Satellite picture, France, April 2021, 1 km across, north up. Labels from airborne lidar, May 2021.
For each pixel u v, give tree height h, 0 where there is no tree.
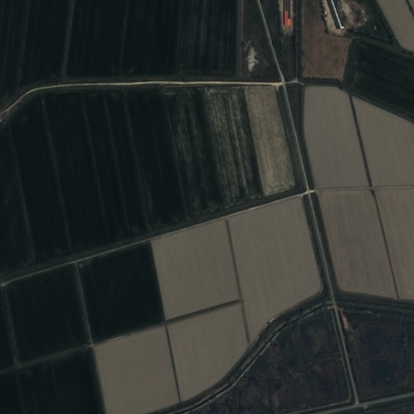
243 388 0
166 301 0
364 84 0
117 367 0
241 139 0
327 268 0
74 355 0
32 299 0
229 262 0
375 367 0
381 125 0
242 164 0
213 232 0
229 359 0
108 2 0
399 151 0
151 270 0
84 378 0
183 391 0
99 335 0
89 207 0
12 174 0
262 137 0
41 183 0
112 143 0
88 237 0
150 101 0
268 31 0
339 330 0
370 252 0
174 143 0
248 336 0
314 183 0
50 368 0
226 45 0
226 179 0
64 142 0
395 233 0
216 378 0
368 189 0
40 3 0
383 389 0
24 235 0
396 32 0
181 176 0
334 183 0
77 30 0
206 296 0
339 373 0
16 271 0
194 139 0
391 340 0
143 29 0
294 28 7
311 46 0
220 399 0
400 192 0
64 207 0
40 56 0
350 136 0
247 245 0
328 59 0
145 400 0
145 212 0
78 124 0
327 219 0
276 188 0
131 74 0
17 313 0
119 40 0
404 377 0
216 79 0
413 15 0
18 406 0
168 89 0
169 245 0
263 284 0
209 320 0
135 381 0
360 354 0
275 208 0
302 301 0
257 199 0
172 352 0
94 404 0
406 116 0
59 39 0
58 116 0
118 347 0
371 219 0
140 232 0
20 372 0
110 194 0
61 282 0
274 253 0
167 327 0
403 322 0
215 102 0
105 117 0
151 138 0
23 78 0
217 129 0
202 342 0
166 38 0
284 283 0
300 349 0
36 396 0
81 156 0
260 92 0
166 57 0
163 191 0
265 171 0
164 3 0
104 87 0
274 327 0
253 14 0
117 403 0
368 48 0
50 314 0
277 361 0
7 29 0
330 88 0
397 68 0
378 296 0
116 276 0
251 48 0
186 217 0
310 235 0
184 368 0
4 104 0
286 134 0
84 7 0
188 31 0
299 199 0
